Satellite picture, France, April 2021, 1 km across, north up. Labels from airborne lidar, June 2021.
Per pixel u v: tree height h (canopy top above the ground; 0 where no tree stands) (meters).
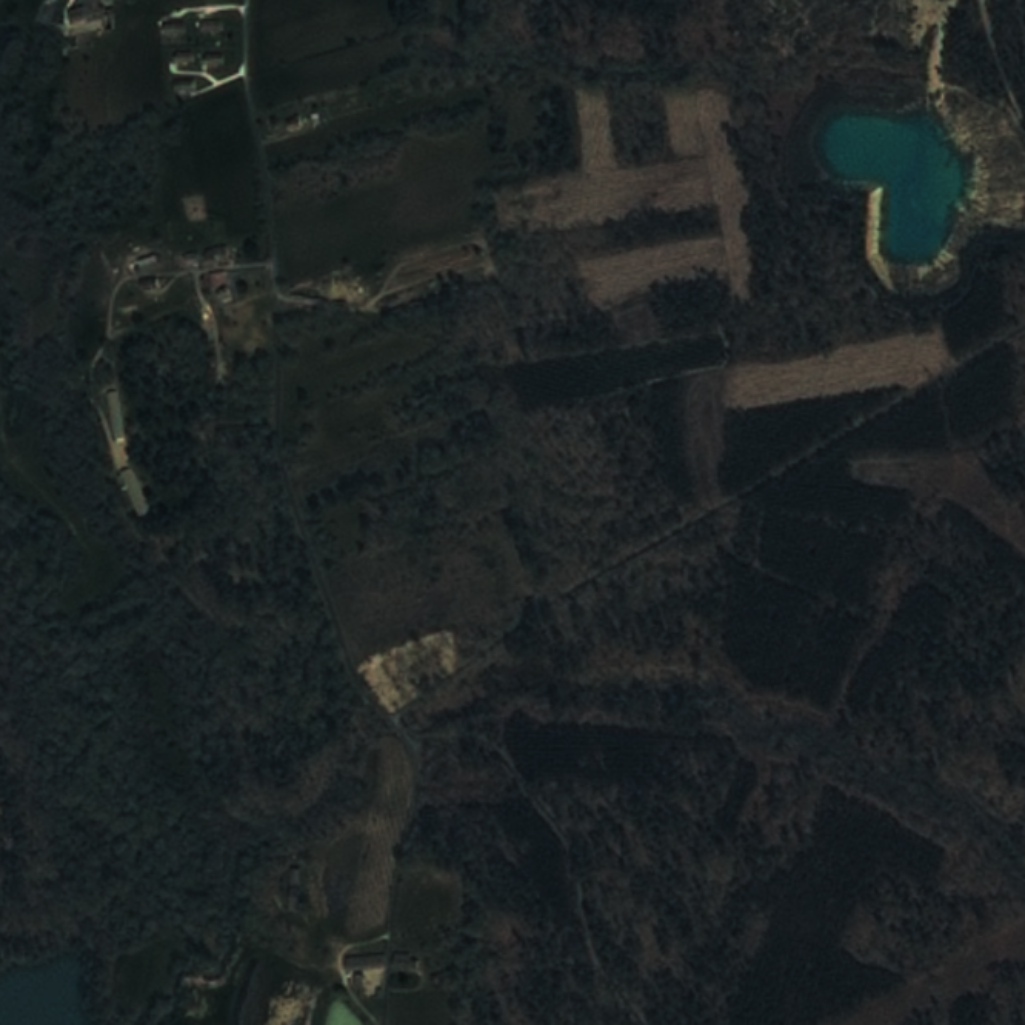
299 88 0
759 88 12
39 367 16
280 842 17
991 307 13
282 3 0
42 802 16
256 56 0
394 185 0
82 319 0
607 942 17
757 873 10
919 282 0
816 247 8
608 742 13
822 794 14
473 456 27
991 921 13
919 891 10
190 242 0
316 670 10
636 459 9
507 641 14
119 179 10
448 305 13
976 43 17
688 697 7
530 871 10
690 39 10
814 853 9
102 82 0
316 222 0
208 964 25
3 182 13
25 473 0
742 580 11
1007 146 0
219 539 11
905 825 14
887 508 13
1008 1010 11
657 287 7
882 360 0
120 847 19
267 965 0
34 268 0
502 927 13
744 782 11
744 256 0
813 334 12
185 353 8
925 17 0
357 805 9
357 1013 0
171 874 13
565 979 18
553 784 10
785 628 12
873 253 0
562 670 11
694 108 0
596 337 18
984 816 9
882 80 11
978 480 0
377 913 6
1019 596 25
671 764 14
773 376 0
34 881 15
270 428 14
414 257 0
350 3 0
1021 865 16
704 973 12
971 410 12
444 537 6
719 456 0
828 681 11
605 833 17
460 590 0
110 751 21
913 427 12
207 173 0
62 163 24
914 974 11
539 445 14
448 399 8
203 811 7
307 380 0
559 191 0
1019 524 0
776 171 10
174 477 14
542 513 14
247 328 0
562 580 11
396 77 15
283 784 25
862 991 11
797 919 10
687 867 18
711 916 9
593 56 16
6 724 12
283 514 14
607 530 12
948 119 0
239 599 18
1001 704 11
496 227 15
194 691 15
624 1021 18
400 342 0
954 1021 10
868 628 12
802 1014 10
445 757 7
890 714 24
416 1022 0
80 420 15
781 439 12
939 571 13
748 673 10
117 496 13
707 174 0
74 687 6
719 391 0
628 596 22
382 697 0
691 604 17
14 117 17
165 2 0
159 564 14
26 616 14
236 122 0
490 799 8
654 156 15
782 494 12
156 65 0
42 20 0
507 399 11
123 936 7
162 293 0
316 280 0
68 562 19
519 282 11
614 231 14
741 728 5
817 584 12
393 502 7
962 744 27
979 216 0
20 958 24
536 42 18
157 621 20
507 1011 13
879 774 14
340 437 0
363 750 19
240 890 18
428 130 14
